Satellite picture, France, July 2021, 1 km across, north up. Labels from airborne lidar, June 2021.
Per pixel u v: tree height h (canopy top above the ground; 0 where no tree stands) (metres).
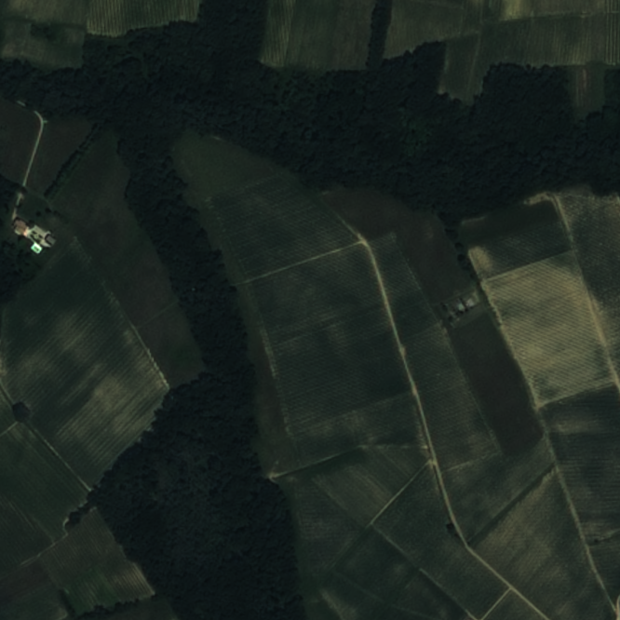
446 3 0
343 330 0
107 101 21
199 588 20
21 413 18
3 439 0
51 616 0
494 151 18
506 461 0
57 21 0
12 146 0
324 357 0
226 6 22
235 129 26
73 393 0
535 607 0
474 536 0
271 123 29
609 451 0
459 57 0
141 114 18
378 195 0
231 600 16
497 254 0
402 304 0
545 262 0
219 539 22
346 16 0
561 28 0
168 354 0
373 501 0
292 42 0
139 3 0
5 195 21
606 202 0
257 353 0
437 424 0
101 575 0
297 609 20
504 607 0
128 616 0
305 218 0
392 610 0
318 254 0
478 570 0
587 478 0
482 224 0
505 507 0
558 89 16
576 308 0
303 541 0
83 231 0
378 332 0
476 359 0
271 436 0
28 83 15
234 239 0
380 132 18
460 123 20
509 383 0
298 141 30
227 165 0
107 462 0
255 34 15
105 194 0
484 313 0
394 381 0
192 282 22
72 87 23
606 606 0
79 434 0
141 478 16
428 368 0
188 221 25
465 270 13
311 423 0
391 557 0
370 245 0
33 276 6
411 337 0
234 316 25
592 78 0
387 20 17
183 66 19
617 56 0
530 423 0
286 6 0
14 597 0
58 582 0
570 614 0
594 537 0
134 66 21
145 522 17
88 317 0
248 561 21
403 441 0
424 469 0
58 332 0
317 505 0
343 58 0
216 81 17
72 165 14
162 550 23
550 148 27
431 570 0
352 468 0
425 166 23
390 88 25
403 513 0
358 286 0
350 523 0
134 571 0
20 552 0
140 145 19
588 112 0
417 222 0
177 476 14
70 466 0
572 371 0
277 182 0
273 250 0
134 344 0
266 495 23
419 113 22
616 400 0
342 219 0
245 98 19
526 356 0
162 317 0
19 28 0
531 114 21
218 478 16
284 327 0
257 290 0
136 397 0
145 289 0
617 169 25
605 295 0
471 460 0
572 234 0
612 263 0
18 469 0
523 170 27
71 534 0
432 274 0
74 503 0
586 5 0
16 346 0
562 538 0
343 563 0
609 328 0
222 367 20
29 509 0
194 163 0
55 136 0
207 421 29
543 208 0
